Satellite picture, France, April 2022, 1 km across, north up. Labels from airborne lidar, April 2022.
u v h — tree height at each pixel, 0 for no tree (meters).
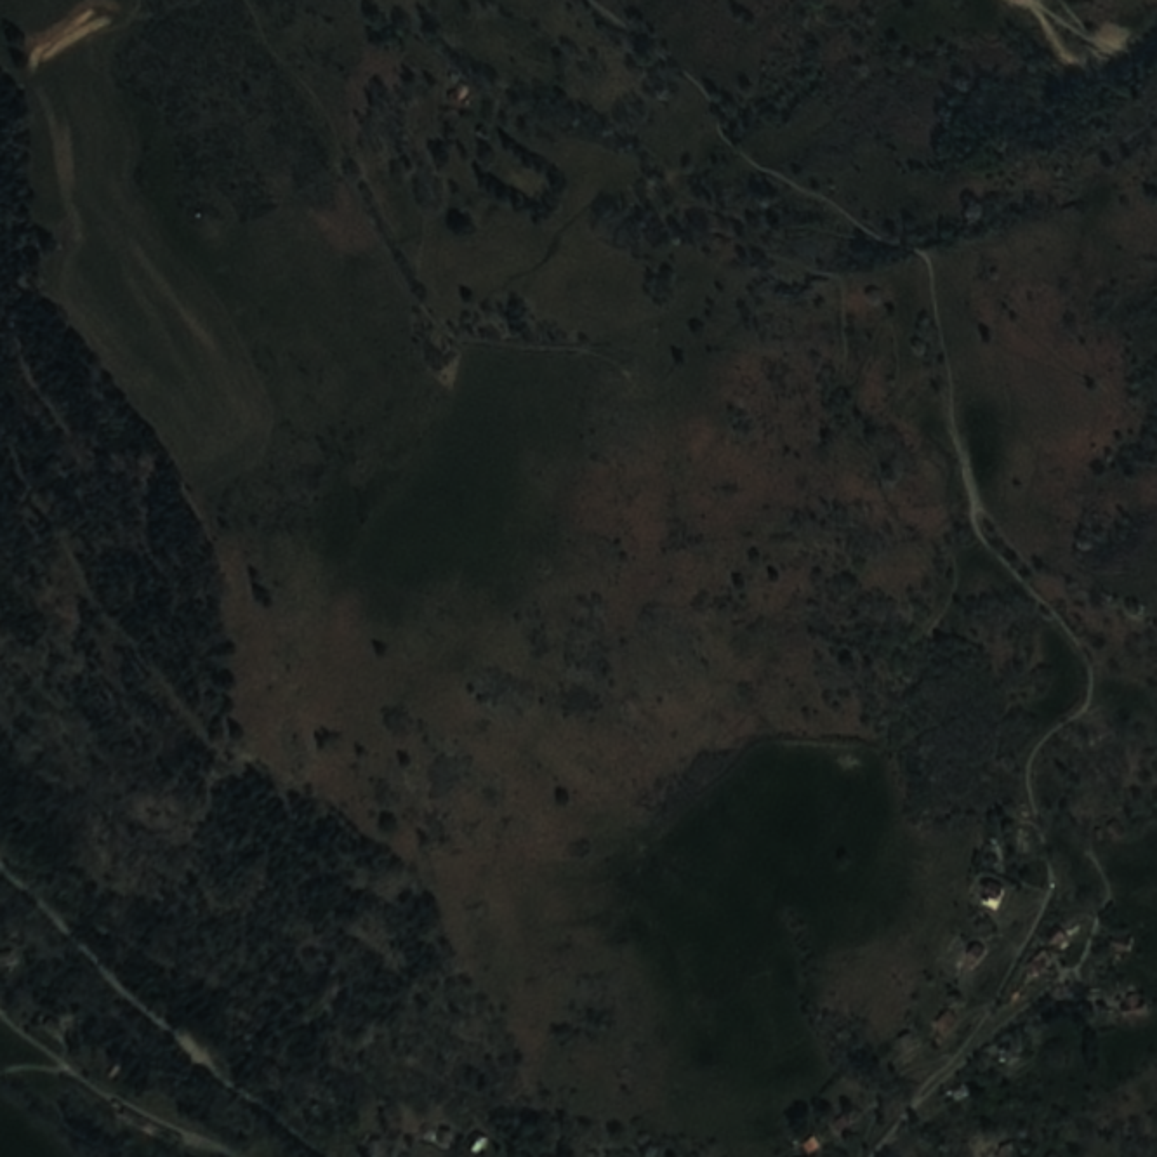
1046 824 12
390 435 0
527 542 0
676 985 0
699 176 0
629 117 21
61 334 21
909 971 0
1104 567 0
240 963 18
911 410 0
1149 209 0
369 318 0
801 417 0
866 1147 8
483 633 0
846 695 15
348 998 13
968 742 22
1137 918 0
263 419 0
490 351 0
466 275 0
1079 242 0
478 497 0
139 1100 10
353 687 0
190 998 13
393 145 14
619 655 0
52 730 11
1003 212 10
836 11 6
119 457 27
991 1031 0
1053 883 0
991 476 0
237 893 14
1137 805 13
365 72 0
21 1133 0
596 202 0
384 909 20
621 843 0
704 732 0
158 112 0
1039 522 0
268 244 0
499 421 0
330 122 0
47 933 12
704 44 0
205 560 11
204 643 22
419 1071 8
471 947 0
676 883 0
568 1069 0
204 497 0
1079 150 9
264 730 0
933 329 13
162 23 0
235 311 0
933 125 0
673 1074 0
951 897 0
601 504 0
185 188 0
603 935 0
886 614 11
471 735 0
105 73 0
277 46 0
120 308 0
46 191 0
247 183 0
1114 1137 16
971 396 0
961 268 0
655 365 0
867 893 0
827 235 0
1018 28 15
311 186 0
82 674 7
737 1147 0
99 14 0
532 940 0
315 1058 10
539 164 9
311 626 0
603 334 0
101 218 0
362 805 0
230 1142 18
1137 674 0
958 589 0
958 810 8
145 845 23
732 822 0
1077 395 0
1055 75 7
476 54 0
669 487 0
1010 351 0
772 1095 0
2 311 23
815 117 0
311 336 0
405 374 0
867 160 0
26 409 8
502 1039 9
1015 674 19
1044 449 0
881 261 9
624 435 0
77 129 0
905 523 0
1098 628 0
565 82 8
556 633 0
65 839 11
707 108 0
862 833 0
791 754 0
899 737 13
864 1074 14
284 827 22
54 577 0
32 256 18
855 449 0
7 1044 0
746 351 0
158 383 0
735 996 0
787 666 0
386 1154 17
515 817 0
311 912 13
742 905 0
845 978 0
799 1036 0
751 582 6
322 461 0
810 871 0
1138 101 16
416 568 0
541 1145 16
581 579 0
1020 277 0
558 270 0
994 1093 7
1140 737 17
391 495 0
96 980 16
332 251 0
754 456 0
